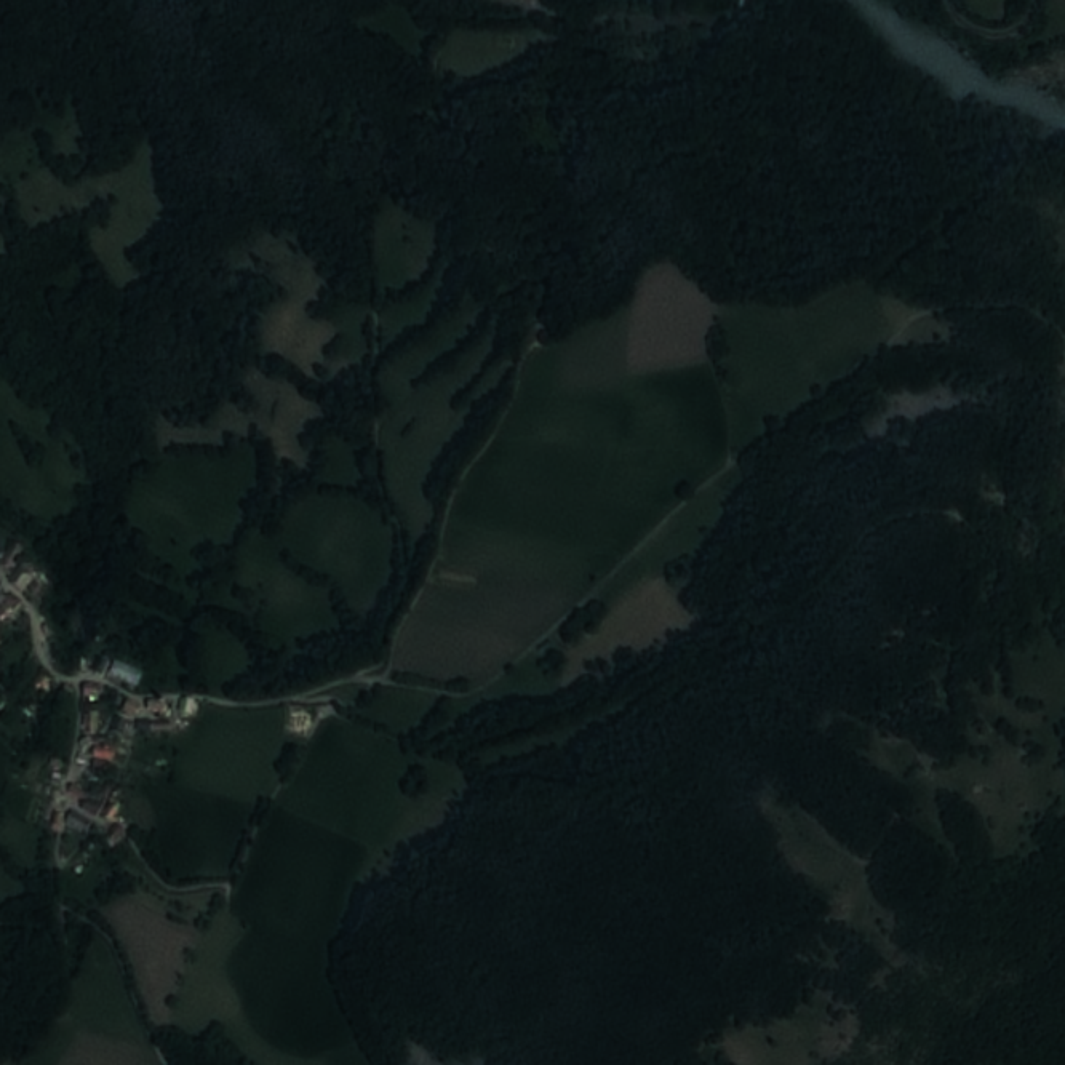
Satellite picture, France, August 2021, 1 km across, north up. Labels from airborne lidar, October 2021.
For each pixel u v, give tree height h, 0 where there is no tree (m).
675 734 20
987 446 10
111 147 24
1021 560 10
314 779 0
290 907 0
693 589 12
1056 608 12
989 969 8
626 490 0
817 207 22
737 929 16
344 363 0
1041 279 10
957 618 15
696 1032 10
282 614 0
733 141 28
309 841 0
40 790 0
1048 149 8
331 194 22
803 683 12
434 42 14
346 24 23
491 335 14
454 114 26
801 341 0
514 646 0
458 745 16
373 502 14
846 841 9
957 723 13
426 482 0
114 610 25
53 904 11
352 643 18
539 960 14
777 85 27
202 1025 0
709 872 17
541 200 28
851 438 13
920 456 15
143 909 0
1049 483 11
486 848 16
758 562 19
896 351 11
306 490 16
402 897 19
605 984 12
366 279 15
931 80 18
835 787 18
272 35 26
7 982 21
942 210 23
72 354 18
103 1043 0
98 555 12
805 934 12
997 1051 20
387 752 0
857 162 21
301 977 0
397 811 0
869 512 11
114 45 26
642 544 0
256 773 0
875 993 7
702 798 14
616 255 14
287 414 0
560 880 14
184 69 22
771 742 19
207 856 0
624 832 16
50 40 26
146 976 0
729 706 18
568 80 18
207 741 0
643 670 18
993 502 6
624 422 0
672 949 16
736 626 20
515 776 13
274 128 22
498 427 9
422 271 0
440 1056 14
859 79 22
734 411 0
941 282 8
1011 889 22
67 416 16
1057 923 19
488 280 20
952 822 14
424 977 18
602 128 22
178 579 13
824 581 17
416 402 0
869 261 17
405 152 33
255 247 0
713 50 22
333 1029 0
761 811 7
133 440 30
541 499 0
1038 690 0
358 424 19
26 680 9
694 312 0
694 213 23
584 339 0
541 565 0
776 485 12
